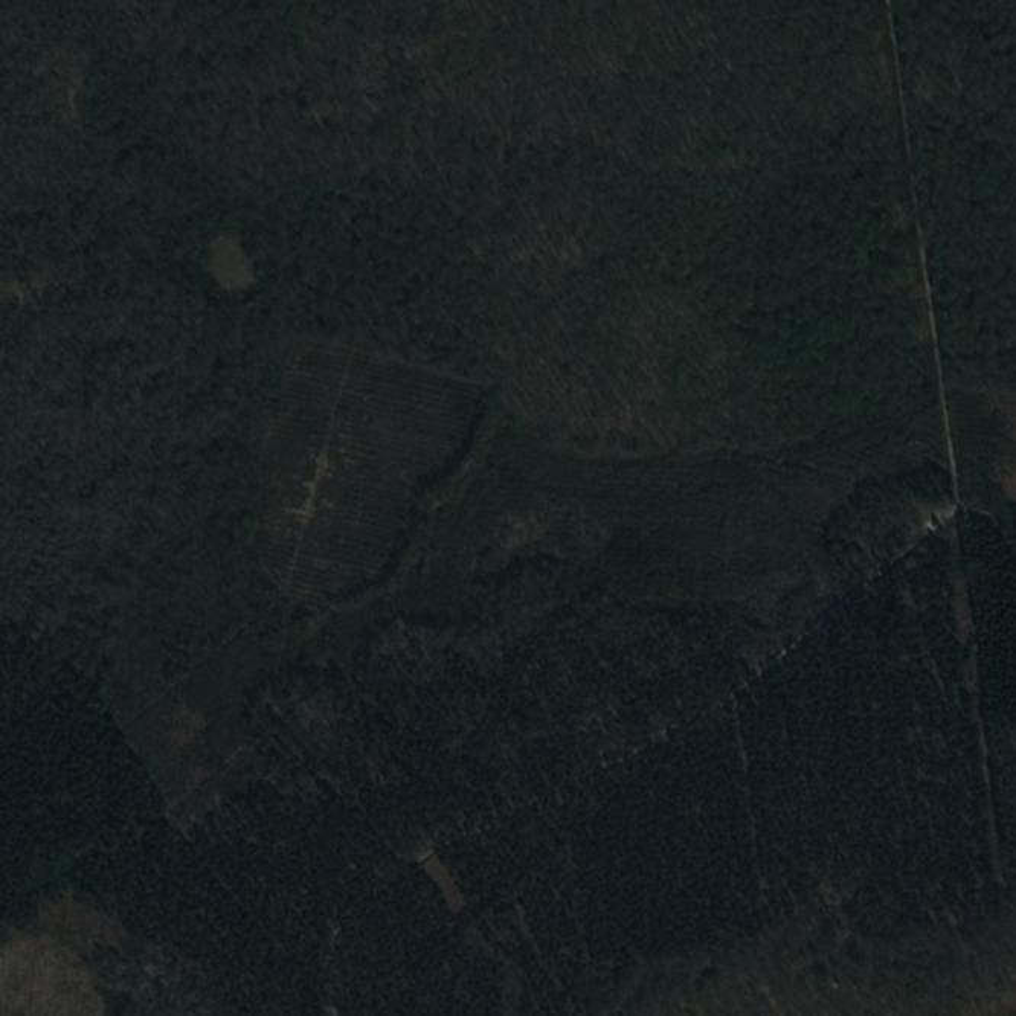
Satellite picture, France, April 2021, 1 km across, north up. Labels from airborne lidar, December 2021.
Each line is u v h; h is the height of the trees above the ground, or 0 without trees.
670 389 27
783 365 26
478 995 19
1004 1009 22
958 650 21
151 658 6
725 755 17
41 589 10
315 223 25
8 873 23
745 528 6
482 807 20
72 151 26
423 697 22
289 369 8
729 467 15
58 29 16
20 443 20
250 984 20
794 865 19
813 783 19
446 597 11
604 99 16
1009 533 21
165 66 25
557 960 21
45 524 13
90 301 23
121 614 17
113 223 20
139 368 29
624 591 11
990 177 29
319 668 6
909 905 19
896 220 26
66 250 20
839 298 21
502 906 20
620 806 19
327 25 20
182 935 22
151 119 16
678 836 22
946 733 12
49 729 21
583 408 27
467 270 25
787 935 18
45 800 16
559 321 27
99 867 21
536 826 21
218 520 23
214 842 21
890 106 27
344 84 22
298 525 0
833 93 28
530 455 10
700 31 29
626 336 26
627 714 19
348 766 25
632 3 28
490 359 28
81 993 0
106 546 7
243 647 5
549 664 21
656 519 12
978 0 32
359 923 20
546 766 19
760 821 17
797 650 21
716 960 21
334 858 18
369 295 28
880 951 18
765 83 31
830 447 8
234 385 25
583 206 28
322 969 20
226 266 0
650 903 14
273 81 31
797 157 26
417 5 14
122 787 20
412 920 15
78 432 22
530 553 10
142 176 16
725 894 16
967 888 16
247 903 22
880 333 29
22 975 0
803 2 29
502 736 21
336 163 30
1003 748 21
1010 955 20
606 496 7
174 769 7
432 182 26
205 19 22
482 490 8
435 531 8
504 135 21
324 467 0
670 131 28
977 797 16
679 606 7
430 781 21
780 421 16
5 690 22
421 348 29
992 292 27
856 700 21
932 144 28
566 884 20
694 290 26
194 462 26
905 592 18
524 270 28
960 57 29
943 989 20
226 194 21
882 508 27
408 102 22
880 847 19
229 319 23
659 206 28
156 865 19
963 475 14
